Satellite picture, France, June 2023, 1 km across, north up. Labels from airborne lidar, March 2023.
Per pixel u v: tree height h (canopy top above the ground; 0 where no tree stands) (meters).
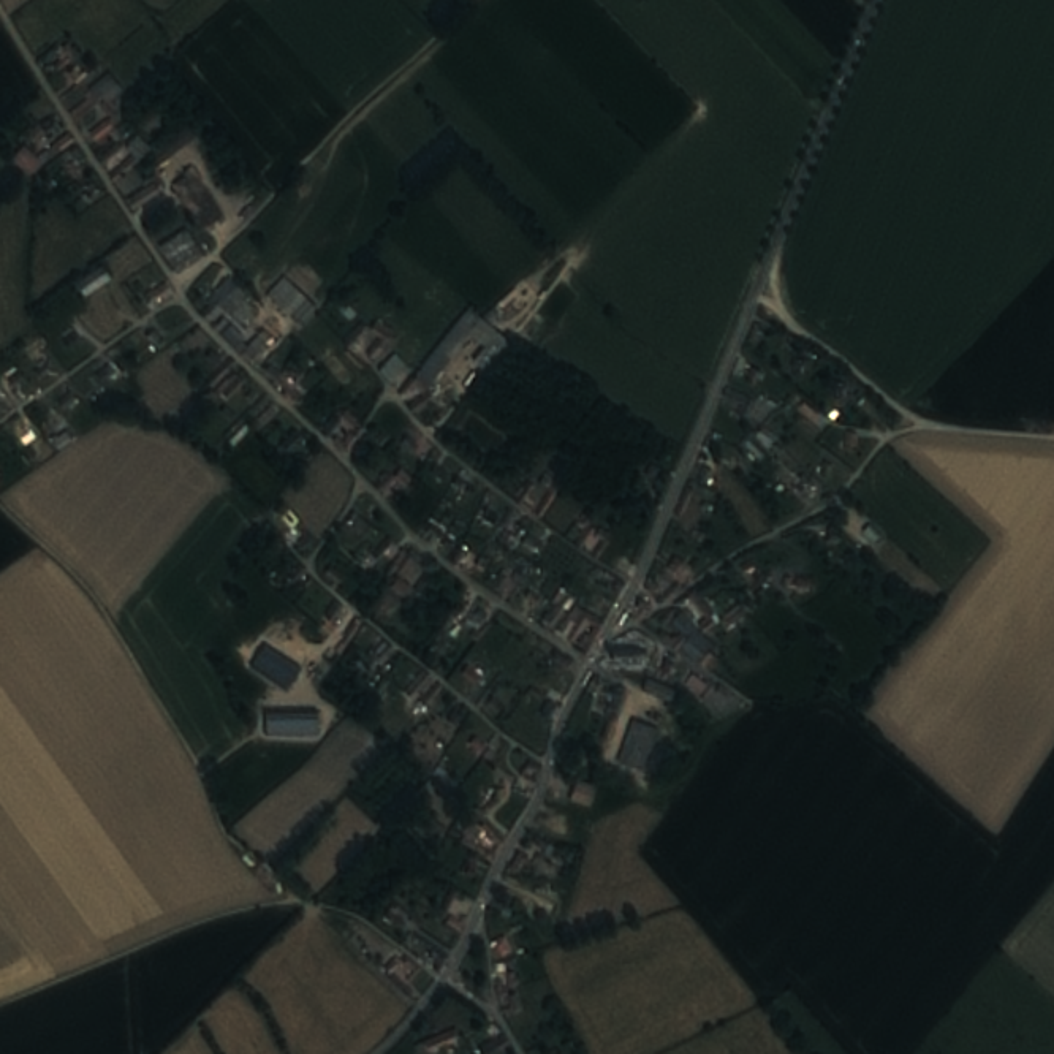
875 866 0
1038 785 0
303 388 0
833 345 0
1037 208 0
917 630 10
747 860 0
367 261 27
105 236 0
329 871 0
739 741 0
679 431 0
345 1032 0
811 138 8
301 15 0
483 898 0
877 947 0
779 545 0
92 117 0
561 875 7
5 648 0
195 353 7
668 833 0
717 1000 0
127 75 0
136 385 0
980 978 0
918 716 0
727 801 0
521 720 0
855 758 0
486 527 0
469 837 0
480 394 21
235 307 0
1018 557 0
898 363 0
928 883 0
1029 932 0
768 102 0
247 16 0
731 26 0
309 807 0
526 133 0
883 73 0
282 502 9
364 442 6
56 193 10
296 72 0
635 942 0
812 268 0
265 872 0
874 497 0
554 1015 16
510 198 26
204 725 0
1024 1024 0
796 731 0
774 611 0
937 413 0
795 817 0
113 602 0
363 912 6
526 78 0
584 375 9
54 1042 0
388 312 0
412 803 33
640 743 0
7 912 0
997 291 0
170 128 13
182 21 0
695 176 0
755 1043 0
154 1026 0
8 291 0
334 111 0
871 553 16
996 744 0
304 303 0
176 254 0
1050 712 0
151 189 0
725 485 0
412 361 0
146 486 0
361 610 15
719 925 0
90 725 0
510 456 13
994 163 0
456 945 0
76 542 0
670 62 0
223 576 0
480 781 0
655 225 0
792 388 0
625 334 0
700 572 0
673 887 0
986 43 0
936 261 0
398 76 0
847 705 8
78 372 0
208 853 0
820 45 0
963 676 0
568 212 0
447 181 0
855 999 0
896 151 0
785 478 0
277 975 0
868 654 0
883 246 0
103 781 0
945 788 0
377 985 0
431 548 0
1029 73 0
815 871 0
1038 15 0
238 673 0
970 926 0
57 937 0
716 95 0
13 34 0
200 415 26
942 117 0
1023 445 0
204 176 0
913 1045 0
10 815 0
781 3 0
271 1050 0
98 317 0
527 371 24
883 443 0
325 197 0
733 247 0
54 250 0
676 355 0
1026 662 0
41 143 0
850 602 0
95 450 0
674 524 0
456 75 0
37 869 0
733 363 0
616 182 0
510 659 0
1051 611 0
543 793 0
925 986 0
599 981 0
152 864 0
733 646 0
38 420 0
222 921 0
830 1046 0
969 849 0
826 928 0
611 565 0
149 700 0
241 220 0
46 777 0
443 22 31
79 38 0
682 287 0
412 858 29
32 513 0
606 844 0
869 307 0
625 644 0
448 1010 0
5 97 0
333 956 0
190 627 0
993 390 0
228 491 0
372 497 0
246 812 0
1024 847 0
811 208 0
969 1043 0
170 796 0
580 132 0
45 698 0
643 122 0
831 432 0
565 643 0
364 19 0
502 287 0
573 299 0
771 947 0
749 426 10
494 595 0
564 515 0
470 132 0
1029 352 0
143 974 0
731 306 0
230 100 0
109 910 0
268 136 0
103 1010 0
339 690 7
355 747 0
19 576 0
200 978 0
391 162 0
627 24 0
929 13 0
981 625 0
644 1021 0
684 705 16
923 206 0
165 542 0
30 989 0
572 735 0
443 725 0
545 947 0
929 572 0
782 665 0
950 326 0
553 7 0
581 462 13
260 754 0
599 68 0
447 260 0
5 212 0
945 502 0
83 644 0
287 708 0
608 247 0
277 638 0
